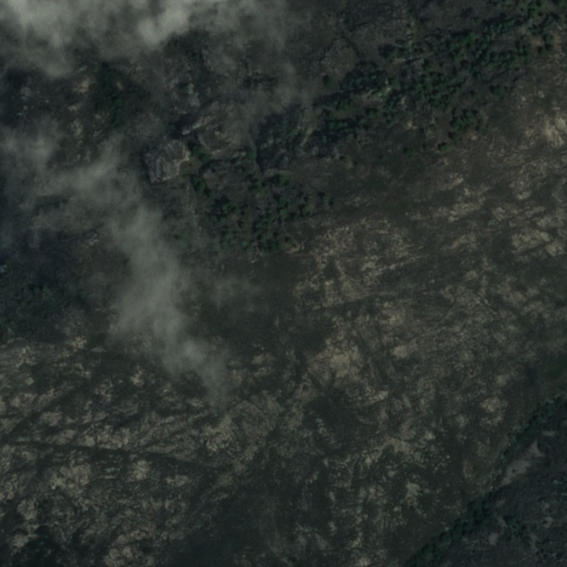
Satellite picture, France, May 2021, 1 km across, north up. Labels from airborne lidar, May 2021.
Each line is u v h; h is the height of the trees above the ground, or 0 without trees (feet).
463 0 0
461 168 0
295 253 0
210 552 0
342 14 28
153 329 0
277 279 0
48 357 0
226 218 33
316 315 0
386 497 0
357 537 0
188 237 25
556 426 25
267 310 0
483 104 0
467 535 26
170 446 0
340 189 0
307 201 33
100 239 0
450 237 0
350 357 0
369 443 0
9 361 0
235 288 0
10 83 22
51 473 0
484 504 47
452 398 0
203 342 0
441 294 0
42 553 21
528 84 0
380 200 0
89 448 0
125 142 46
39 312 23
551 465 40
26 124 20
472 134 0
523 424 28
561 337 0
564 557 32
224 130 32
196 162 0
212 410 0
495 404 0
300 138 21
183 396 0
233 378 0
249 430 0
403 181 0
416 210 0
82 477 0
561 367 0
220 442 0
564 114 0
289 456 0
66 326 0
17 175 19
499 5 36
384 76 26
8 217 19
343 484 0
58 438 0
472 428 0
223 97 22
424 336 0
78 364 0
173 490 0
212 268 0
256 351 0
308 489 0
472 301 0
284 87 0
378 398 0
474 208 0
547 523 30
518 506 0
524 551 0
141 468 0
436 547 51
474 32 24
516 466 0
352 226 0
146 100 28
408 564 44
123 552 0
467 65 49
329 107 31
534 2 41
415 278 0
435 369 0
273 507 0
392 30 0
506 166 0
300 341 0
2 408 0
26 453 0
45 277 27
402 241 0
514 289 0
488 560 0
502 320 0
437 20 0
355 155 0
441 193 0
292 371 0
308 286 0
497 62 34
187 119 29
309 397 0
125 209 52
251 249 27
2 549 19
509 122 0
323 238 0
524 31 0
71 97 30
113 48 0
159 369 0
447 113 0
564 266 0
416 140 0
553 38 35
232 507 0
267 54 0
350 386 0
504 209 0
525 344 0
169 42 34
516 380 0
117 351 0
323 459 0
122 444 0
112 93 34
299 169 0
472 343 0
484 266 0
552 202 0
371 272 0
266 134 26
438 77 31
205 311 0
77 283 29
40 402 0
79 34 18
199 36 22
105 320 0
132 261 43
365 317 0
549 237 0
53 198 21
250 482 0
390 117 35
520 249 0
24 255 20
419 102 24
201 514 0
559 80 0
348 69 0
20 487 0
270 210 29
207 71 18
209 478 0
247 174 20
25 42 0
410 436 0
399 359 0
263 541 0
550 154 0
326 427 0
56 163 0
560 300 0
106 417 0
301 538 0
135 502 0
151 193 71
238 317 0
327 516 0
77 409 0
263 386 0
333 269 0
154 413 0
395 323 0
